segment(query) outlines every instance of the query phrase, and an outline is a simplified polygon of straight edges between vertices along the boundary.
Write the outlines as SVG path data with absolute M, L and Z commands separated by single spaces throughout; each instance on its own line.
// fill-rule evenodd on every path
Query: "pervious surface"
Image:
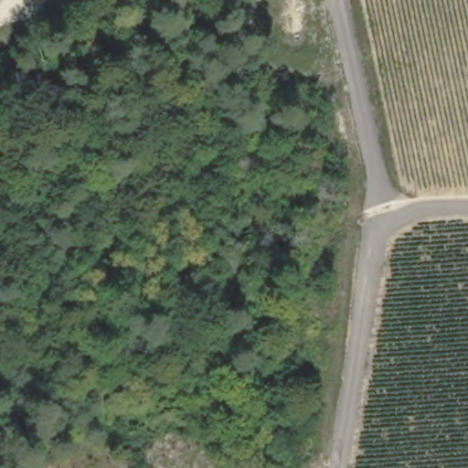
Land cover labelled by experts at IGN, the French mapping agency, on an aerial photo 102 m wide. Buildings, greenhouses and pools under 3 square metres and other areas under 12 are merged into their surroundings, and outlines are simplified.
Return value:
M 13 22 L 13 13 L 24 4 L 24 0 L 0 0 L 0 22 Z
M 282 11 L 283 27 L 287 33 L 302 31 L 303 0 L 287 0 L 287 7 Z

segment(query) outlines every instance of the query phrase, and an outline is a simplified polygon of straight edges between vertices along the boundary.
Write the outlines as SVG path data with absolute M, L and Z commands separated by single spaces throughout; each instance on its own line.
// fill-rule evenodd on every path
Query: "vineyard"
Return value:
M 468 214 L 464 214 L 459 221 L 422 221 L 417 227 L 406 232 L 404 238 L 397 239 L 395 247 L 391 250 L 391 258 L 378 265 L 380 278 L 384 278 L 388 283 L 386 296 L 382 302 L 382 324 L 377 333 L 377 353 L 373 355 L 371 351 L 366 351 L 362 366 L 362 371 L 371 378 L 371 382 L 367 389 L 367 404 L 364 408 L 364 430 L 360 433 L 362 453 L 356 457 L 355 468 L 468 468 Z
M 397 177 L 402 188 L 411 190 L 417 196 L 400 197 L 404 207 L 422 201 L 468 199 L 468 0 L 360 0 L 380 101 L 388 124 L 389 144 Z

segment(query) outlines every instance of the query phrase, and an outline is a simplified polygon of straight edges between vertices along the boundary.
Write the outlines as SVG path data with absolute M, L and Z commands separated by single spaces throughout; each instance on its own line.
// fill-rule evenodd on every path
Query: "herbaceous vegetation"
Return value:
M 13 22 L 0 22 L 0 53 L 15 48 L 20 38 L 26 37 L 29 24 L 48 24 L 60 9 L 64 9 L 66 5 L 71 7 L 77 0 L 24 0 L 24 4 L 13 13 Z
M 154 464 L 154 468 L 216 468 L 208 461 L 207 452 L 196 446 L 196 442 L 186 442 L 177 433 L 168 433 L 166 439 L 155 441 L 152 448 L 146 450 L 146 461 Z
M 287 7 L 287 0 L 263 0 L 269 4 L 269 15 L 272 20 L 283 27 L 282 11 Z
M 325 366 L 320 369 L 324 393 L 320 409 L 324 411 L 324 415 L 318 430 L 320 455 L 313 463 L 309 463 L 311 468 L 327 468 L 335 431 L 336 408 L 342 389 L 342 375 L 346 367 L 347 324 L 353 307 L 356 252 L 362 243 L 367 175 L 353 117 L 351 95 L 349 91 L 344 91 L 346 69 L 342 64 L 342 57 L 335 53 L 335 24 L 329 9 L 322 9 L 324 0 L 303 0 L 302 31 L 287 33 L 283 40 L 291 46 L 298 46 L 303 42 L 314 44 L 318 48 L 318 57 L 314 58 L 313 62 L 316 75 L 324 86 L 335 86 L 331 102 L 336 110 L 338 132 L 347 144 L 347 177 L 351 179 L 351 185 L 347 188 L 349 208 L 344 210 L 340 218 L 340 229 L 346 232 L 346 239 L 335 252 L 338 289 L 335 292 L 335 300 L 327 303 L 324 327 L 329 331 L 327 342 L 331 355 L 327 356 Z
M 349 0 L 356 46 L 360 51 L 360 66 L 364 71 L 367 97 L 369 104 L 373 106 L 375 128 L 378 130 L 380 154 L 388 174 L 389 185 L 400 197 L 417 196 L 411 190 L 402 188 L 397 177 L 389 144 L 388 124 L 380 101 L 360 0 Z

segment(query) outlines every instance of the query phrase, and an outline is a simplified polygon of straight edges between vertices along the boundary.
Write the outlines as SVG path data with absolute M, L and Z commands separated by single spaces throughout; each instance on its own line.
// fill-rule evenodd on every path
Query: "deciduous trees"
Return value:
M 269 64 L 261 64 L 260 69 L 243 69 L 225 77 L 229 86 L 239 84 L 241 90 L 249 91 L 249 101 L 254 106 L 258 106 L 258 102 L 269 104 L 269 110 L 265 112 L 265 128 L 261 132 L 243 133 L 238 122 L 229 119 L 229 108 L 216 106 L 216 97 L 212 93 L 186 90 L 183 84 L 186 84 L 186 80 L 199 82 L 205 80 L 207 75 L 205 69 L 192 68 L 186 58 L 190 53 L 196 55 L 201 49 L 201 42 L 216 29 L 219 22 L 227 20 L 227 16 L 234 11 L 236 0 L 77 0 L 71 7 L 66 5 L 64 9 L 60 9 L 48 24 L 29 24 L 26 37 L 20 38 L 15 48 L 0 53 L 0 399 L 11 388 L 11 382 L 4 375 L 9 375 L 18 366 L 40 369 L 49 380 L 49 389 L 60 399 L 84 400 L 90 389 L 97 389 L 104 395 L 106 404 L 102 406 L 101 415 L 88 424 L 88 430 L 104 433 L 108 437 L 106 446 L 110 448 L 110 452 L 119 461 L 124 461 L 128 468 L 154 468 L 154 464 L 146 461 L 146 450 L 152 448 L 155 441 L 166 439 L 168 433 L 177 433 L 186 442 L 196 442 L 196 446 L 207 452 L 208 461 L 216 468 L 311 468 L 309 463 L 313 463 L 320 455 L 318 430 L 324 415 L 324 411 L 320 409 L 324 393 L 320 369 L 325 366 L 327 356 L 331 355 L 327 342 L 329 331 L 324 327 L 327 303 L 335 300 L 335 292 L 338 289 L 335 252 L 346 239 L 346 232 L 340 229 L 340 218 L 344 210 L 349 208 L 347 188 L 351 185 L 351 179 L 347 177 L 347 144 L 338 132 L 336 110 L 331 102 L 335 86 L 324 86 L 316 75 L 302 75 L 296 71 L 289 71 L 285 66 L 276 69 Z M 121 16 L 122 7 L 141 9 L 144 13 L 143 20 L 133 27 L 115 26 L 115 18 Z M 190 18 L 194 24 L 177 33 L 175 37 L 161 37 L 152 27 L 152 20 L 155 11 L 163 9 Z M 26 55 L 27 51 L 38 49 L 44 40 L 62 42 L 66 37 L 73 38 L 73 42 L 68 53 L 58 55 L 57 68 L 27 71 L 16 66 L 18 58 Z M 82 71 L 88 77 L 86 84 L 68 84 L 60 77 L 66 69 Z M 272 117 L 282 113 L 285 106 L 296 106 L 298 110 L 305 112 L 307 126 L 303 130 L 283 128 L 280 124 L 272 122 Z M 33 150 L 46 155 L 51 148 L 57 155 L 57 165 L 51 170 L 27 168 L 27 157 L 31 157 Z M 84 201 L 80 201 L 68 218 L 58 218 L 57 214 L 49 214 L 49 207 L 64 205 L 64 196 L 69 186 L 86 183 L 84 177 L 73 177 L 82 166 L 101 165 L 102 161 L 121 159 L 133 159 L 133 172 L 126 175 L 124 183 L 108 192 L 93 192 Z M 188 239 L 179 232 L 177 214 L 181 208 L 188 210 L 190 216 L 196 219 L 197 225 L 201 225 L 203 232 L 199 238 Z M 261 245 L 265 230 L 261 227 L 260 221 L 269 218 L 274 219 L 274 223 L 282 225 L 294 223 L 296 238 L 291 241 L 276 234 L 271 245 Z M 38 225 L 38 219 L 48 219 L 55 229 L 71 230 L 73 247 L 66 250 L 66 258 L 57 272 L 49 272 L 51 265 L 46 265 L 42 261 L 42 252 L 37 252 L 37 247 L 31 245 L 31 238 L 44 229 Z M 133 267 L 113 265 L 115 252 L 130 254 L 133 260 L 143 260 L 144 263 L 154 263 L 163 256 L 165 267 L 161 271 L 144 274 Z M 258 320 L 249 329 L 243 329 L 232 336 L 227 329 L 229 309 L 249 309 Z M 168 316 L 168 335 L 172 336 L 172 342 L 150 351 L 143 336 L 137 336 L 135 347 L 128 346 L 130 316 L 143 316 L 144 324 L 152 324 L 154 316 Z M 227 366 L 236 356 L 247 353 L 254 346 L 261 351 L 256 358 L 258 369 L 254 371 L 254 378 L 236 377 Z

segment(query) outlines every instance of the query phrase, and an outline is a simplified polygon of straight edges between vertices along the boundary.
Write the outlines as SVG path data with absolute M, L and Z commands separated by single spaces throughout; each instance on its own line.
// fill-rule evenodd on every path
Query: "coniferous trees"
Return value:
M 172 336 L 168 335 L 168 316 L 154 316 L 152 324 L 144 324 L 143 316 L 130 316 L 128 346 L 135 347 L 137 336 L 143 336 L 150 351 L 172 342 Z
M 57 214 L 58 218 L 68 218 L 80 201 L 84 201 L 93 192 L 108 192 L 124 183 L 126 175 L 133 172 L 133 159 L 121 159 L 102 161 L 101 165 L 82 166 L 73 177 L 84 177 L 86 183 L 69 186 L 64 196 L 64 205 L 49 207 L 49 214 Z
M 254 378 L 254 371 L 258 369 L 256 358 L 261 351 L 254 346 L 247 353 L 236 356 L 227 366 L 236 377 Z
M 86 84 L 88 77 L 82 71 L 66 69 L 60 77 L 68 84 Z
M 141 9 L 122 7 L 121 16 L 115 18 L 115 26 L 133 27 L 143 20 L 144 13 Z
M 188 239 L 199 238 L 203 232 L 201 225 L 197 225 L 196 219 L 190 216 L 188 210 L 181 208 L 177 214 L 179 232 Z
M 225 77 L 243 69 L 260 69 L 261 64 L 269 64 L 276 69 L 285 66 L 289 71 L 296 71 L 302 75 L 316 75 L 313 62 L 314 58 L 318 57 L 318 48 L 314 44 L 303 42 L 298 46 L 291 46 L 283 40 L 287 33 L 283 27 L 272 20 L 269 15 L 269 4 L 263 0 L 236 0 L 234 11 L 227 16 L 227 20 L 219 22 L 216 29 L 201 42 L 201 49 L 196 55 L 190 53 L 186 58 L 192 68 L 205 69 L 207 75 L 205 80 L 199 82 L 186 80 L 186 84 L 183 84 L 186 90 L 212 93 L 216 97 L 216 106 L 229 108 L 229 119 L 238 122 L 243 133 L 261 132 L 265 128 L 265 112 L 269 110 L 269 104 L 258 102 L 258 106 L 254 106 L 249 101 L 249 91 L 241 90 L 239 84 L 229 86 Z
M 51 148 L 46 155 L 33 150 L 31 157 L 27 157 L 27 168 L 51 170 L 57 165 L 57 155 Z
M 175 37 L 177 33 L 194 24 L 190 18 L 163 9 L 155 11 L 152 20 L 152 27 L 161 37 Z
M 261 245 L 271 245 L 276 234 L 291 241 L 296 238 L 294 223 L 282 225 L 274 223 L 274 219 L 269 218 L 260 221 L 261 227 L 265 230 Z
M 68 53 L 73 42 L 73 38 L 66 37 L 62 42 L 44 40 L 38 49 L 27 51 L 26 55 L 18 58 L 16 66 L 27 71 L 57 68 L 58 55 Z
M 4 375 L 11 382 L 11 388 L 0 399 L 0 468 L 128 468 L 124 461 L 119 461 L 110 452 L 110 448 L 106 446 L 108 437 L 104 433 L 88 430 L 88 424 L 101 415 L 102 406 L 106 404 L 104 395 L 97 389 L 90 389 L 84 400 L 60 399 L 49 389 L 49 380 L 40 369 L 18 366 L 9 375 Z
M 115 252 L 113 265 L 133 267 L 144 274 L 161 271 L 165 267 L 163 256 L 154 263 L 144 263 L 143 260 L 133 260 L 130 254 Z
M 285 106 L 282 113 L 272 117 L 272 122 L 280 124 L 283 128 L 303 130 L 307 126 L 305 112 L 298 110 L 296 106 Z
M 243 329 L 249 329 L 258 320 L 249 309 L 229 309 L 227 329 L 232 336 Z
M 37 252 L 42 252 L 42 261 L 46 265 L 51 265 L 49 272 L 57 272 L 66 258 L 66 250 L 73 247 L 71 230 L 55 229 L 48 219 L 38 219 L 38 225 L 44 229 L 31 238 L 31 245 L 37 247 Z

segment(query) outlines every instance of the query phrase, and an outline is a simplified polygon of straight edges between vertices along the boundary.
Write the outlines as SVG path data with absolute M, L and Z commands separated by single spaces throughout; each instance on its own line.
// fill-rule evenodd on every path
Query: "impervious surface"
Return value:
M 380 278 L 378 265 L 391 258 L 391 250 L 395 247 L 397 239 L 404 238 L 406 232 L 417 227 L 422 221 L 459 221 L 464 214 L 468 214 L 468 199 L 422 201 L 404 207 L 400 197 L 389 185 L 388 174 L 380 154 L 378 130 L 375 128 L 373 106 L 369 104 L 367 97 L 364 71 L 360 66 L 360 51 L 356 46 L 349 0 L 324 0 L 322 9 L 329 9 L 335 24 L 335 53 L 342 57 L 342 64 L 346 69 L 344 91 L 349 91 L 351 95 L 353 117 L 367 175 L 362 243 L 356 252 L 353 307 L 347 324 L 346 367 L 342 375 L 342 389 L 336 408 L 335 431 L 327 468 L 355 468 L 356 457 L 362 453 L 360 433 L 364 430 L 364 408 L 367 404 L 367 389 L 371 382 L 371 378 L 362 371 L 362 366 L 366 351 L 371 351 L 373 355 L 377 353 L 377 333 L 382 324 L 382 302 L 386 296 L 388 283 L 384 278 Z

